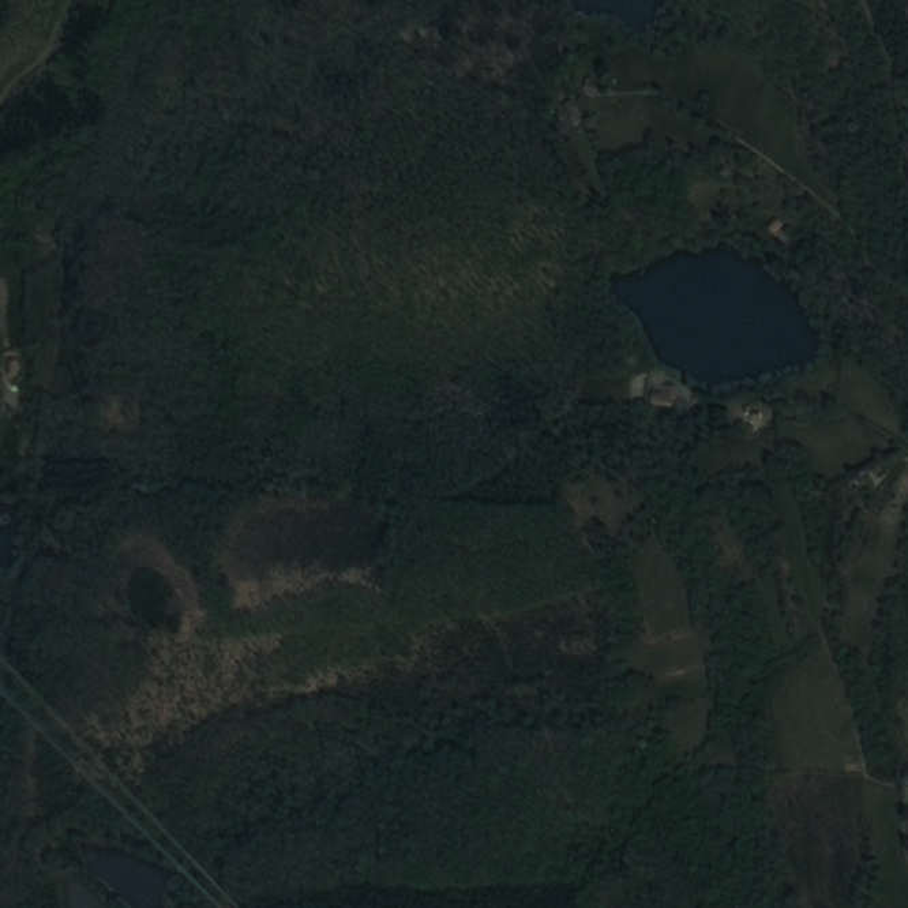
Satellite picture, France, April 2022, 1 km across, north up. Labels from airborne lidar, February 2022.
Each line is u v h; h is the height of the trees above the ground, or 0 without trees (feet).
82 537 56
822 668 0
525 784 77
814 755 0
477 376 79
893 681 64
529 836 85
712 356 0
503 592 75
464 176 67
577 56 37
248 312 72
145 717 49
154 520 91
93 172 77
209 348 36
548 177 79
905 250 26
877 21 30
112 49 70
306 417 44
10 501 61
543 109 72
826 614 28
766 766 54
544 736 92
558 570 69
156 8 52
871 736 43
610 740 75
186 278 72
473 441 73
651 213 91
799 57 65
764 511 56
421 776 91
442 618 70
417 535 83
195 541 78
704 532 61
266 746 85
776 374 52
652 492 64
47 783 0
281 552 0
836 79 51
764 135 0
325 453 55
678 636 0
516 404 90
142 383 55
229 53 73
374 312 76
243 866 98
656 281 0
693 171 89
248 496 73
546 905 51
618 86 0
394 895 50
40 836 92
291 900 37
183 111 57
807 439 0
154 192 83
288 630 56
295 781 80
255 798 70
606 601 62
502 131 78
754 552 46
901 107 57
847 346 72
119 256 95
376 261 69
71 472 107
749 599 58
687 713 0
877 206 51
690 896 55
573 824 72
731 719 47
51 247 0
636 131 0
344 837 105
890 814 0
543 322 72
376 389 72
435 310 59
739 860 71
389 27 64
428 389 71
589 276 65
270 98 67
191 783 74
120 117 55
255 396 76
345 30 63
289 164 86
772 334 0
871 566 0
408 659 63
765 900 62
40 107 57
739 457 0
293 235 61
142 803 59
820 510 25
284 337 89
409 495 80
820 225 73
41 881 93
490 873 79
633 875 86
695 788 25
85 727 52
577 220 76
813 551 37
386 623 57
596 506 42
